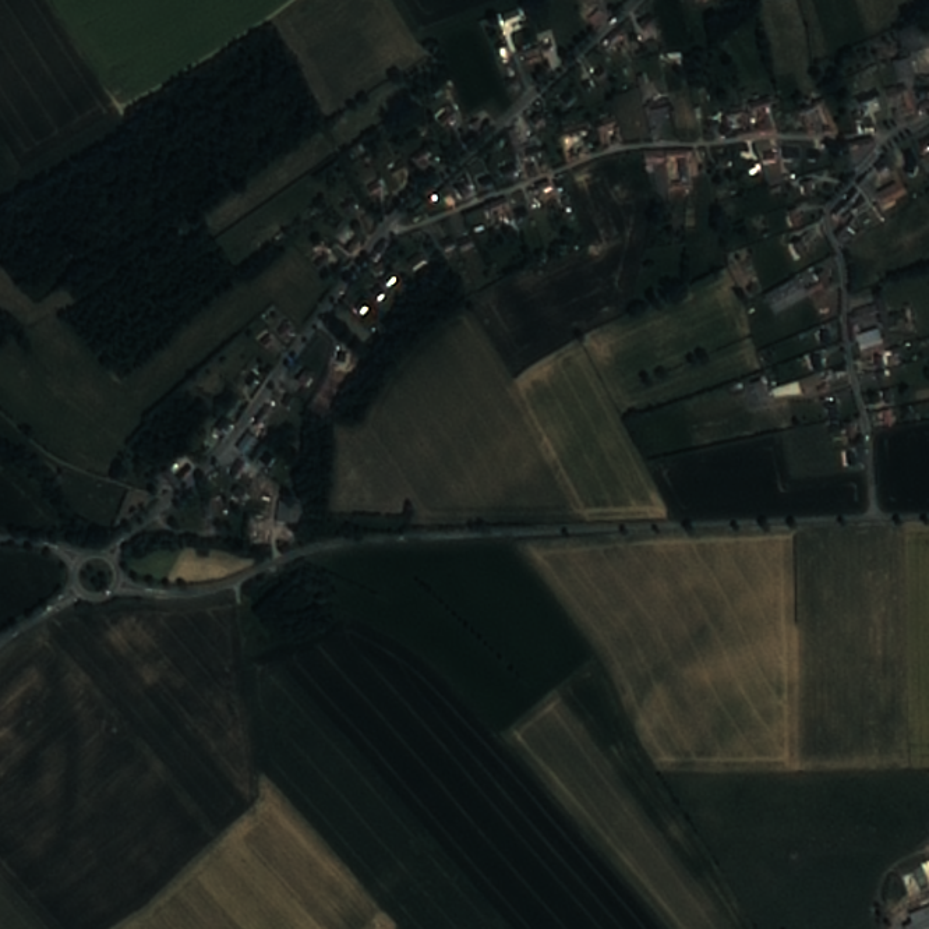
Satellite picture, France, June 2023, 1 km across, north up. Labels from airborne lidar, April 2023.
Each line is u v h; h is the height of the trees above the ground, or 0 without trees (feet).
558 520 0
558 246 24
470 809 0
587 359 0
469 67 0
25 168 0
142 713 0
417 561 0
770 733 0
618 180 0
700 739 0
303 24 0
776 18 0
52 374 0
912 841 0
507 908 0
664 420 0
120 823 0
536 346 0
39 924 0
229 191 21
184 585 28
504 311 0
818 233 0
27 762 0
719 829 0
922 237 0
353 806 0
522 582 0
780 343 0
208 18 0
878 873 0
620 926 0
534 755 0
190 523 0
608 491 0
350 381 37
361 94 26
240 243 0
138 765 0
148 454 29
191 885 0
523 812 0
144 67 0
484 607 0
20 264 58
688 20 0
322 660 0
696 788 0
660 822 0
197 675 0
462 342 0
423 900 0
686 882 0
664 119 0
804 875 0
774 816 0
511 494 0
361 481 0
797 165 0
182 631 0
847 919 0
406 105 93
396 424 0
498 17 31
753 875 0
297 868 0
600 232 0
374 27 0
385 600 0
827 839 0
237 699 0
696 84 48
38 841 0
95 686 0
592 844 0
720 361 0
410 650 0
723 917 0
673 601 0
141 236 61
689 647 0
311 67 0
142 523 0
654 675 0
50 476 20
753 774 0
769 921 0
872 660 0
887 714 0
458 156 44
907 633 0
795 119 0
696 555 0
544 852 0
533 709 0
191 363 0
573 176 0
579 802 0
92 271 62
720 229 58
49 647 0
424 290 48
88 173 69
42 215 67
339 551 0
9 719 0
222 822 0
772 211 0
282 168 0
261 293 0
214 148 67
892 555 0
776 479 0
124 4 0
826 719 0
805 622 0
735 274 0
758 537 0
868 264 0
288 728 0
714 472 0
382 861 0
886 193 0
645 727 0
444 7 0
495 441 0
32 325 0
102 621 0
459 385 0
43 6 0
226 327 0
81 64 0
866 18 0
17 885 0
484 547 0
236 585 0
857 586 0
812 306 0
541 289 0
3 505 0
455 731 0
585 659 0
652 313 0
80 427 0
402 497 0
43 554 20
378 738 0
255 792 0
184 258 48
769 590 0
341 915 0
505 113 0
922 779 0
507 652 0
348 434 0
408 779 0
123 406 0
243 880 0
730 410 0
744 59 0
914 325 0
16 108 0
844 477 0
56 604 0
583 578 0
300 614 36
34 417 0
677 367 0
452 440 0
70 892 0
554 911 0
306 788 0
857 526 0
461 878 0
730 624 0
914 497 0
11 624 35
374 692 0
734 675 0
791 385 0
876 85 0
